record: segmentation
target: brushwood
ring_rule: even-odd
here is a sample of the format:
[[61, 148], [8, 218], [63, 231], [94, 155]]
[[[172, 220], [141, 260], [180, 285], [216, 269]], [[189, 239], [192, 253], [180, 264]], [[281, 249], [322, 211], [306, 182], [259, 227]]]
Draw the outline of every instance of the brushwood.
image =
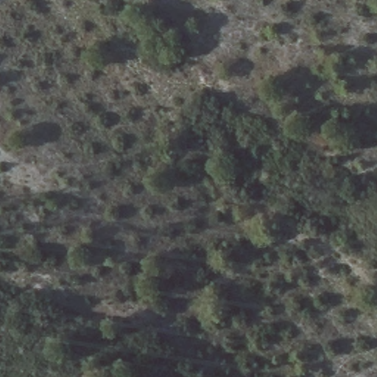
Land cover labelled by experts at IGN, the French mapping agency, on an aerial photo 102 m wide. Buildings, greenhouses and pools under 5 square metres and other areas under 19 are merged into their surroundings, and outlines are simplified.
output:
[[74, 252], [66, 252], [66, 261], [69, 268], [81, 271], [85, 264], [84, 252], [80, 247]]
[[374, 50], [373, 59], [368, 60], [365, 68], [358, 69], [358, 75], [377, 75], [377, 34], [368, 32], [365, 35], [365, 47]]
[[0, 146], [13, 155], [22, 149], [22, 143], [16, 133], [12, 137], [6, 134], [3, 143], [0, 143]]
[[15, 268], [15, 262], [19, 262], [21, 258], [18, 255], [0, 252], [0, 268], [7, 272], [18, 269]]
[[324, 53], [321, 65], [312, 68], [311, 74], [321, 80], [327, 80], [337, 96], [346, 97], [348, 91], [345, 88], [345, 81], [340, 80], [334, 71], [339, 56], [336, 53]]
[[62, 315], [53, 311], [49, 296], [43, 295], [40, 290], [35, 292], [35, 295], [25, 293], [22, 287], [13, 281], [0, 278], [0, 292], [9, 296], [13, 303], [18, 305], [16, 330], [19, 333], [25, 336], [31, 333], [32, 336], [46, 337], [60, 334], [69, 339], [74, 331], [100, 331], [100, 321], [77, 317], [74, 323], [66, 324]]

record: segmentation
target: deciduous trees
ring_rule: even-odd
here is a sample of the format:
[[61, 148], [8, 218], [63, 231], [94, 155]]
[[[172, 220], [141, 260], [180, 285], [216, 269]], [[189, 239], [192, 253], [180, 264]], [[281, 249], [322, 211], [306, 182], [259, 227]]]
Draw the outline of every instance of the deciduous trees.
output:
[[103, 277], [99, 269], [105, 267], [105, 262], [96, 265], [85, 264], [81, 271], [69, 268], [66, 261], [56, 268], [54, 259], [43, 258], [35, 243], [29, 244], [27, 240], [22, 239], [15, 247], [6, 247], [0, 239], [0, 252], [18, 255], [21, 258], [19, 262], [15, 262], [15, 268], [18, 269], [25, 268], [28, 272], [54, 275], [59, 278], [63, 290], [72, 289], [77, 295], [96, 296], [100, 300], [106, 300], [109, 305], [118, 302], [147, 302], [150, 311], [163, 317], [166, 305], [158, 299], [156, 284], [159, 269], [155, 262], [146, 258], [141, 259], [140, 272], [131, 275], [125, 271], [127, 265], [113, 262], [109, 274]]
[[324, 268], [331, 274], [345, 275], [346, 283], [355, 286], [359, 277], [353, 274], [348, 265], [340, 262], [342, 256], [353, 255], [352, 247], [346, 243], [346, 230], [349, 228], [355, 230], [358, 239], [364, 243], [364, 249], [356, 256], [368, 265], [368, 268], [377, 268], [377, 188], [376, 184], [368, 183], [367, 199], [353, 199], [353, 187], [349, 181], [358, 172], [355, 168], [346, 168], [345, 163], [364, 155], [365, 149], [359, 144], [355, 131], [348, 133], [346, 128], [337, 125], [337, 110], [331, 110], [327, 121], [321, 125], [320, 134], [308, 134], [308, 128], [302, 124], [302, 115], [299, 112], [293, 110], [287, 113], [281, 108], [269, 75], [264, 75], [261, 80], [256, 81], [256, 90], [259, 99], [269, 106], [271, 115], [247, 110], [244, 115], [237, 116], [230, 109], [215, 108], [214, 97], [206, 97], [200, 91], [193, 97], [193, 102], [180, 113], [181, 133], [177, 138], [174, 141], [169, 140], [166, 135], [156, 135], [153, 138], [153, 149], [156, 153], [150, 153], [152, 162], [144, 174], [143, 187], [152, 196], [156, 196], [158, 191], [171, 186], [190, 187], [203, 181], [203, 186], [211, 196], [212, 206], [219, 211], [219, 221], [242, 225], [246, 239], [258, 247], [262, 255], [250, 265], [234, 264], [225, 259], [225, 267], [233, 269], [231, 281], [242, 287], [256, 286], [259, 281], [265, 295], [275, 296], [275, 303], [283, 303], [286, 309], [283, 314], [272, 315], [271, 308], [267, 306], [259, 312], [261, 321], [258, 325], [249, 325], [244, 321], [237, 321], [237, 317], [234, 317], [231, 321], [233, 324], [228, 328], [225, 328], [224, 321], [218, 320], [218, 323], [206, 327], [205, 330], [202, 328], [197, 334], [197, 339], [209, 340], [212, 345], [221, 346], [224, 352], [231, 353], [240, 373], [246, 377], [330, 377], [334, 373], [333, 361], [337, 355], [377, 348], [377, 337], [371, 337], [370, 327], [358, 320], [359, 311], [352, 308], [353, 302], [342, 302], [342, 295], [334, 293], [330, 281], [321, 278], [318, 271]]
[[158, 336], [155, 328], [146, 327], [125, 339], [128, 348], [147, 353], [153, 348], [158, 342]]
[[105, 72], [106, 65], [102, 63], [99, 47], [94, 44], [93, 49], [85, 49], [81, 53], [81, 62], [85, 68], [94, 71], [91, 74], [93, 80], [99, 80]]
[[113, 37], [133, 41], [137, 46], [137, 59], [153, 71], [166, 75], [174, 74], [169, 68], [169, 63], [177, 62], [174, 53], [174, 29], [163, 27], [161, 19], [144, 19], [144, 16], [140, 15], [140, 9], [144, 6], [140, 0], [110, 0], [108, 4], [100, 4], [100, 13], [105, 24], [112, 29]]
[[269, 38], [277, 40], [277, 34], [272, 31], [274, 24], [261, 22], [256, 25], [259, 35], [256, 35], [256, 41], [268, 41]]
[[46, 337], [44, 359], [52, 364], [60, 364], [63, 353], [60, 349], [60, 334]]
[[112, 365], [96, 368], [93, 358], [85, 356], [82, 359], [72, 359], [72, 364], [74, 367], [81, 365], [82, 376], [85, 377], [131, 377], [130, 370], [121, 359], [116, 359]]

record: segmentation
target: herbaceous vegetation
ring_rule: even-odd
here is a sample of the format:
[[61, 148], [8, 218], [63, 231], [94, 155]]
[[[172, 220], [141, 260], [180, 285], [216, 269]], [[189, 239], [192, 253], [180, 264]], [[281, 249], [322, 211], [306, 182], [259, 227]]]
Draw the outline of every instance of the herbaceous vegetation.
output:
[[337, 355], [333, 361], [334, 373], [330, 377], [377, 377], [377, 348]]
[[[112, 365], [116, 359], [121, 359], [130, 370], [131, 377], [246, 377], [240, 373], [231, 353], [224, 352], [221, 346], [212, 345], [209, 340], [197, 339], [197, 334], [202, 328], [205, 330], [206, 327], [218, 323], [218, 320], [224, 321], [225, 328], [228, 328], [233, 324], [231, 321], [234, 317], [237, 317], [237, 321], [244, 321], [249, 325], [258, 325], [261, 321], [259, 312], [267, 306], [271, 308], [272, 315], [283, 314], [286, 309], [283, 303], [275, 303], [275, 296], [265, 295], [259, 281], [256, 286], [242, 287], [231, 281], [233, 269], [225, 267], [225, 259], [234, 264], [250, 265], [262, 255], [258, 247], [246, 239], [242, 225], [219, 221], [219, 211], [212, 206], [211, 196], [203, 186], [203, 181], [190, 187], [171, 186], [158, 191], [156, 196], [152, 196], [143, 187], [144, 174], [152, 162], [150, 153], [156, 153], [153, 149], [153, 138], [156, 135], [166, 135], [169, 140], [174, 141], [177, 138], [181, 133], [180, 113], [193, 102], [193, 97], [200, 91], [206, 97], [214, 97], [215, 108], [230, 109], [237, 116], [244, 115], [247, 110], [271, 115], [269, 106], [259, 99], [256, 90], [256, 81], [261, 80], [264, 75], [269, 75], [281, 108], [287, 113], [293, 110], [299, 112], [302, 115], [302, 124], [308, 128], [308, 134], [320, 134], [321, 125], [327, 121], [331, 110], [337, 110], [337, 125], [346, 128], [348, 133], [355, 131], [359, 144], [365, 149], [364, 155], [345, 163], [346, 168], [355, 168], [358, 172], [349, 181], [353, 187], [353, 199], [367, 199], [368, 183], [376, 184], [377, 188], [377, 75], [358, 75], [358, 69], [365, 68], [368, 60], [373, 59], [374, 50], [365, 47], [365, 35], [368, 32], [377, 34], [377, 0], [140, 0], [144, 6], [140, 9], [140, 15], [144, 16], [144, 19], [161, 19], [163, 27], [174, 29], [174, 53], [177, 62], [169, 63], [169, 68], [174, 74], [166, 75], [153, 71], [137, 59], [137, 46], [133, 41], [113, 37], [112, 29], [105, 24], [100, 13], [100, 4], [108, 4], [110, 0], [0, 0], [0, 143], [3, 143], [6, 134], [12, 137], [16, 133], [22, 143], [22, 149], [13, 155], [0, 146], [0, 239], [6, 247], [15, 247], [22, 239], [27, 240], [29, 244], [35, 243], [43, 258], [54, 259], [56, 268], [66, 261], [66, 252], [74, 252], [80, 247], [84, 252], [85, 264], [96, 265], [105, 262], [105, 267], [99, 269], [103, 277], [109, 274], [113, 262], [127, 265], [125, 271], [131, 275], [140, 272], [141, 259], [146, 258], [155, 262], [159, 269], [156, 284], [158, 299], [166, 305], [163, 317], [150, 311], [147, 302], [118, 302], [109, 305], [106, 300], [100, 300], [96, 296], [77, 295], [72, 289], [63, 290], [59, 278], [54, 275], [28, 272], [25, 268], [18, 269], [7, 272], [0, 268], [0, 278], [13, 281], [22, 287], [25, 293], [35, 295], [35, 292], [40, 290], [43, 295], [49, 296], [53, 311], [62, 315], [66, 324], [74, 323], [77, 317], [100, 321], [100, 331], [74, 331], [69, 339], [60, 334], [60, 349], [63, 353], [60, 364], [52, 364], [44, 359], [46, 337], [32, 336], [31, 333], [25, 336], [19, 333], [16, 330], [18, 305], [13, 303], [9, 296], [0, 292], [0, 377], [85, 377], [82, 376], [81, 365], [74, 367], [72, 364], [72, 359], [82, 359], [85, 356], [93, 358], [96, 368]], [[272, 31], [277, 34], [277, 40], [269, 38], [268, 41], [256, 41], [256, 35], [259, 35], [256, 25], [261, 22], [274, 24]], [[94, 44], [99, 47], [102, 63], [106, 65], [105, 72], [99, 80], [93, 80], [91, 74], [94, 71], [85, 68], [81, 62], [81, 53], [85, 49], [93, 49]], [[346, 97], [337, 96], [327, 80], [321, 80], [311, 74], [312, 68], [321, 65], [324, 53], [336, 53], [339, 56], [334, 71], [340, 80], [345, 81], [345, 88], [348, 91]], [[146, 327], [155, 328], [158, 336], [158, 342], [153, 348], [147, 353], [128, 348], [125, 339]]]
[[359, 277], [355, 286], [346, 283], [345, 275], [331, 274], [324, 268], [318, 271], [321, 278], [330, 281], [334, 293], [342, 295], [342, 302], [353, 302], [352, 308], [359, 311], [358, 320], [370, 327], [371, 337], [377, 337], [377, 268], [368, 268], [368, 265], [356, 256], [364, 249], [364, 243], [358, 239], [355, 230], [349, 228], [346, 230], [346, 243], [352, 247], [353, 255], [342, 256], [340, 262], [348, 265], [353, 274]]

